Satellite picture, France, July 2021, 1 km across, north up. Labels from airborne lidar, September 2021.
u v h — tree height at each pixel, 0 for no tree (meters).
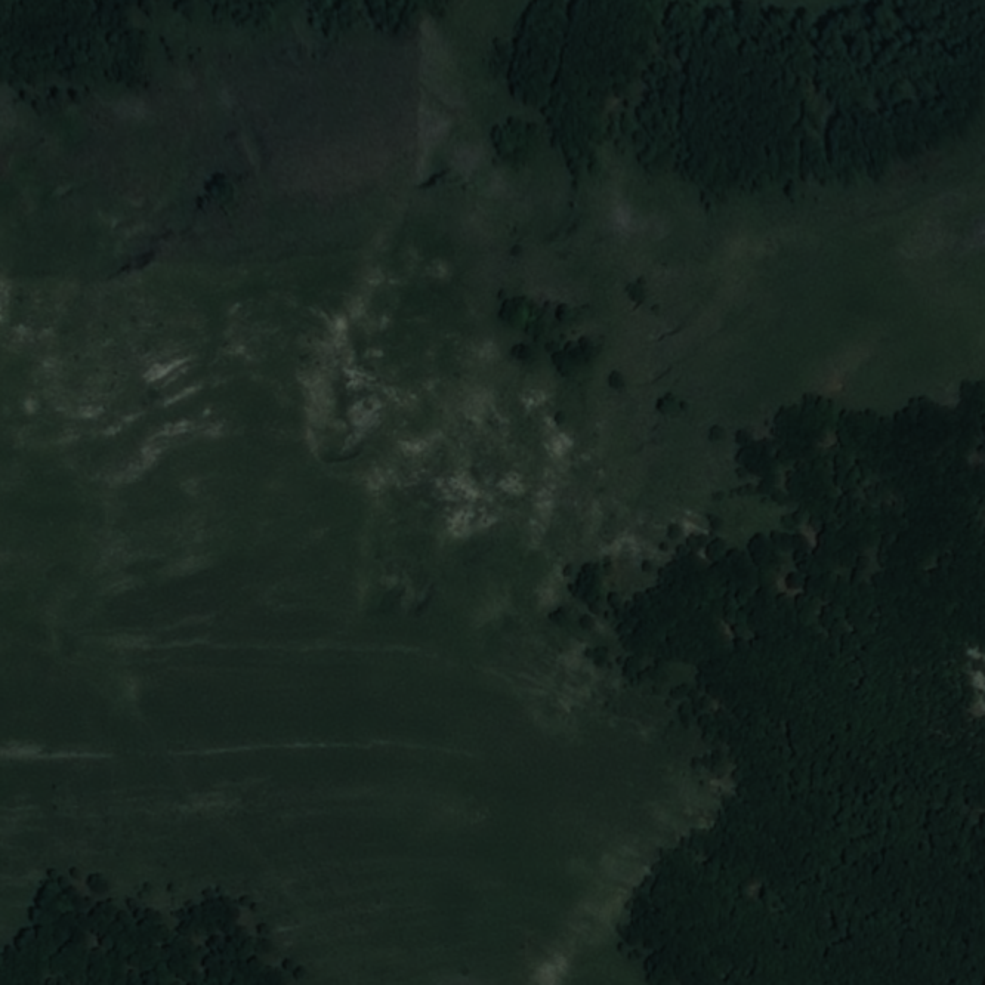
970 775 21
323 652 0
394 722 0
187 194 0
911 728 17
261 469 0
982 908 24
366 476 0
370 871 0
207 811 0
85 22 20
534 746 0
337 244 0
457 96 0
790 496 7
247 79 0
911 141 16
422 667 0
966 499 14
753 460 15
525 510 0
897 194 0
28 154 0
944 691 14
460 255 0
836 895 20
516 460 0
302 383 0
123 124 0
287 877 0
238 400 0
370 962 0
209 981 16
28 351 0
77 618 0
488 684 0
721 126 24
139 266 0
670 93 23
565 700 0
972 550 18
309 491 0
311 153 0
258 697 0
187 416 0
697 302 0
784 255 0
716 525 15
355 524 0
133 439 0
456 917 0
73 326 0
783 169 19
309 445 0
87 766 0
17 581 0
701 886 19
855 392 0
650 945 14
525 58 17
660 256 0
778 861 24
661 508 0
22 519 0
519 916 0
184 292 0
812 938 20
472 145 0
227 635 0
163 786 0
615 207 0
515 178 0
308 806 0
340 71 0
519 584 0
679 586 18
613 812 0
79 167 0
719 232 0
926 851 21
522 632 0
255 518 0
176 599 0
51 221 0
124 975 17
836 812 24
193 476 0
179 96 0
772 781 22
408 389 0
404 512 0
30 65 24
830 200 0
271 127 0
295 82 0
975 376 0
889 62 24
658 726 0
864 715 23
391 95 0
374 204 0
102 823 0
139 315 0
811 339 0
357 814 0
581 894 0
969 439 15
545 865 0
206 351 0
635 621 12
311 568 0
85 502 0
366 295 0
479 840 0
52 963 15
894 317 0
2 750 0
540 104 15
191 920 16
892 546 14
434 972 0
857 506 10
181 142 0
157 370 0
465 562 0
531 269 0
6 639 0
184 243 0
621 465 0
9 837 0
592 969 0
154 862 0
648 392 0
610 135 9
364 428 0
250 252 0
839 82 16
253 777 0
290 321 0
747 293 0
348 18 16
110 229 0
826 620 16
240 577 0
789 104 18
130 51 15
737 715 18
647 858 0
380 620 0
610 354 0
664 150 19
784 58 22
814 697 14
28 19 21
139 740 0
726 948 16
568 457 0
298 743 0
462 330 0
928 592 17
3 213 0
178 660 0
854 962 23
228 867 0
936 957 25
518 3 0
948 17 22
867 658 24
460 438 0
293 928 0
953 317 0
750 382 0
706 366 0
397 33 9
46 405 0
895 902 23
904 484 17
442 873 0
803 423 15
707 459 0
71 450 0
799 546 17
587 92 12
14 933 0
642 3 18
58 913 15
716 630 17
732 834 21
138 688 0
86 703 0
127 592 0
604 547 0
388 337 0
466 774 0
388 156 0
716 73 22
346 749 0
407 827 0
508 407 0
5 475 0
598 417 0
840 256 0
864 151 18
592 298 0
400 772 0
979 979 26
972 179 0
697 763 10
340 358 0
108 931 20
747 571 20
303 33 0
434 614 0
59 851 0
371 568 0
